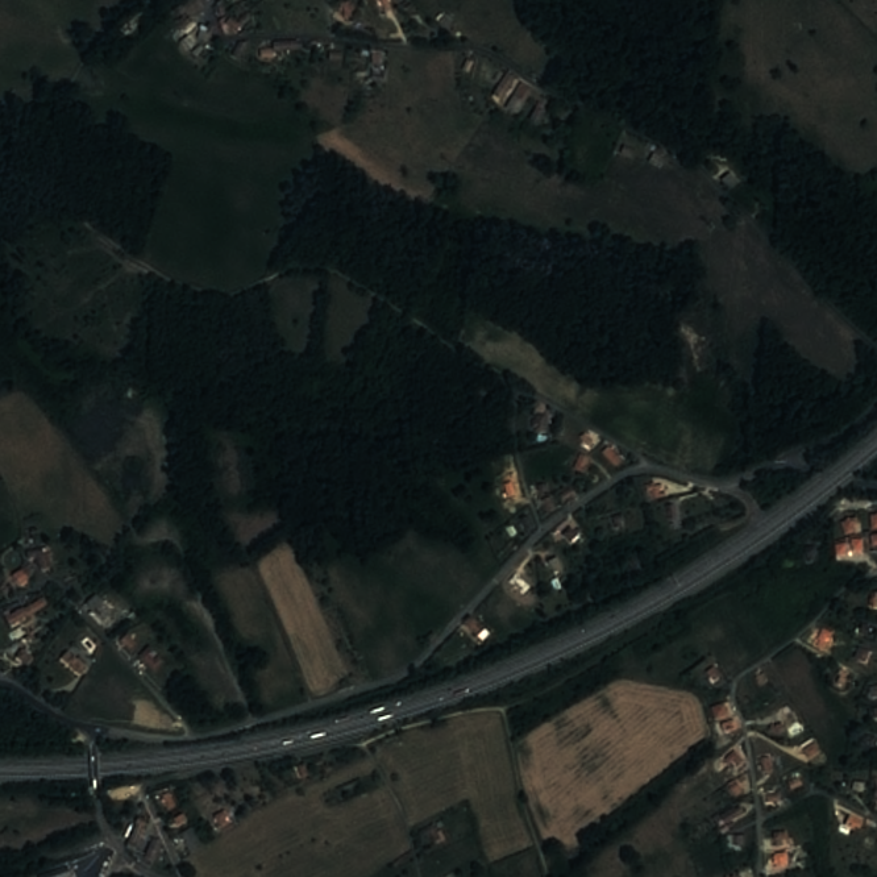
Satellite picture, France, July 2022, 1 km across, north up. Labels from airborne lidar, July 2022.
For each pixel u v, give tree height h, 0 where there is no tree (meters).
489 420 18
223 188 0
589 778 0
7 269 20
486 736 0
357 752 6
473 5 0
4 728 15
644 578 6
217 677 0
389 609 0
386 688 6
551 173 26
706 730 0
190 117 0
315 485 27
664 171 0
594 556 7
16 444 0
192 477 17
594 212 0
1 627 0
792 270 0
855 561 0
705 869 0
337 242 19
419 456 28
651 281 36
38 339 7
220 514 11
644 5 22
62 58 0
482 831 0
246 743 0
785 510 0
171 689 13
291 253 14
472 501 15
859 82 0
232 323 22
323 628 0
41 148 22
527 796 6
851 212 12
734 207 9
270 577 0
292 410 21
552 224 0
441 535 8
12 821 0
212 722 7
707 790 0
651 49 26
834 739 0
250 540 0
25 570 0
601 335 16
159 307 16
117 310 0
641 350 24
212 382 21
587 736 0
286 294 0
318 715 8
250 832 0
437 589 0
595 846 13
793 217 10
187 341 16
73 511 0
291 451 26
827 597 7
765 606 0
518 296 25
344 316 0
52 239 0
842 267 10
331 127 0
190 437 23
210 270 0
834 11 0
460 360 14
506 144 0
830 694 0
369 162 0
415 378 16
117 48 16
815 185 31
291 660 0
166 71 0
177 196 0
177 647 12
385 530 24
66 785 8
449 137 0
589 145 0
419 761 0
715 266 0
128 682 0
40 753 12
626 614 0
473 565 0
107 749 9
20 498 0
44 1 0
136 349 19
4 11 0
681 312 24
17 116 25
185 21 0
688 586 0
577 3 9
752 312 0
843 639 0
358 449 32
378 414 19
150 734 0
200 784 12
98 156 21
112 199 17
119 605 0
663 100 28
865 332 6
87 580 7
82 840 10
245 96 0
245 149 0
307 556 21
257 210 0
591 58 30
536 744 0
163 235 0
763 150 14
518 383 17
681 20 18
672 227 0
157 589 0
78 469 0
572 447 0
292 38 0
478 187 0
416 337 17
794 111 0
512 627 0
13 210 25
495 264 29
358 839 0
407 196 18
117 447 0
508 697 10
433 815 0
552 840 10
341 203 24
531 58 0
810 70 0
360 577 0
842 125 0
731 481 0
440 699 0
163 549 7
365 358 12
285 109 0
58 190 21
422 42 13
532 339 16
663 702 0
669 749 0
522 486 0
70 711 0
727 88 8
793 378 23
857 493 18
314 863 0
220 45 13
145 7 15
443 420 18
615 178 0
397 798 0
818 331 0
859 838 0
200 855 0
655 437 0
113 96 0
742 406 6
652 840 0
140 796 0
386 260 24
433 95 0
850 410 10
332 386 9
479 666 6
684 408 0
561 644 0
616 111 22
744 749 0
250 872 0
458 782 0
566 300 25
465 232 11
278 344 12
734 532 0
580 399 0
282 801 0
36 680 11
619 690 0
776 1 0
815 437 16
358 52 7
